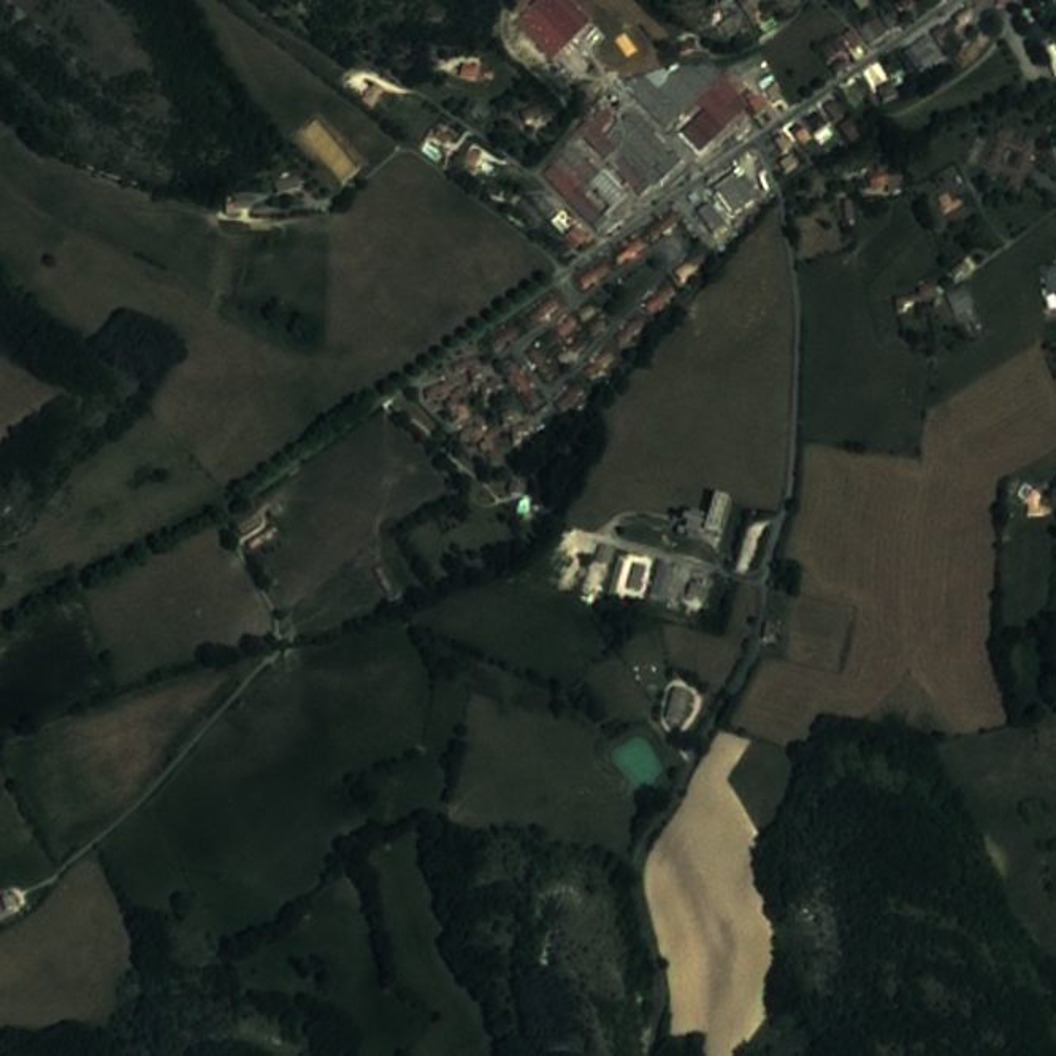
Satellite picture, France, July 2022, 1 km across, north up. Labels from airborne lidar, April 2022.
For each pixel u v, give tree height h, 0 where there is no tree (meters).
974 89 0
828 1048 11
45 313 11
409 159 0
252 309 0
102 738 0
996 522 8
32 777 0
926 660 0
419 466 0
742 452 0
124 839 0
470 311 0
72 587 26
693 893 0
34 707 0
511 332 0
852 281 0
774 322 0
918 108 0
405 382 20
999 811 0
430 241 0
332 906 0
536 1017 16
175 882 0
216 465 0
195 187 19
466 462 0
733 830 0
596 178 0
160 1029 15
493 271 0
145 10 8
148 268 0
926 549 0
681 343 0
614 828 0
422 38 9
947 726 0
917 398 0
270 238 7
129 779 0
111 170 7
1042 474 0
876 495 0
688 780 0
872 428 0
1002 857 0
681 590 0
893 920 6
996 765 0
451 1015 0
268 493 0
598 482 0
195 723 0
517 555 16
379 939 15
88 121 0
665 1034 12
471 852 15
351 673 0
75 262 0
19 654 0
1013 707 15
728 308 0
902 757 12
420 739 0
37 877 0
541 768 0
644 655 0
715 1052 0
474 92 0
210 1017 6
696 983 0
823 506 0
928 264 0
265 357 0
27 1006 0
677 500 0
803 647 0
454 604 0
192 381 0
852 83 0
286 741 0
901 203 0
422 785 0
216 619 0
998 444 0
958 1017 8
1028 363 0
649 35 0
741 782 0
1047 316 0
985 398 0
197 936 0
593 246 0
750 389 0
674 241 0
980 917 11
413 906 0
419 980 0
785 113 0
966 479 0
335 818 0
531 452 20
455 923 14
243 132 14
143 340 17
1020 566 0
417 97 0
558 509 24
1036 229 0
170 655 0
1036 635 17
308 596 0
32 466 12
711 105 0
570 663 0
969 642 0
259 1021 0
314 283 0
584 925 0
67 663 0
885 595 0
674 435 0
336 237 0
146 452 0
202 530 17
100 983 0
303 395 0
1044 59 15
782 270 0
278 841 0
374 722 0
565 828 0
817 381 0
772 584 7
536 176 0
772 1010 14
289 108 0
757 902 0
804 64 0
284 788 0
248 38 0
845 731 10
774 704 0
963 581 0
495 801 0
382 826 9
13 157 0
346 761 0
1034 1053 11
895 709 0
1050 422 0
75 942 0
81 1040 14
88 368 11
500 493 0
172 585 0
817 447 0
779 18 12
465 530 0
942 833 12
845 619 0
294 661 0
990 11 8
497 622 0
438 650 7
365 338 0
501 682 0
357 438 0
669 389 0
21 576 0
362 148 0
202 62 12
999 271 0
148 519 0
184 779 0
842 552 0
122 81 7
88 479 0
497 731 0
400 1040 0
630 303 0
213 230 0
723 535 0
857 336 0
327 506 0
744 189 0
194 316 0
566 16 0
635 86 0
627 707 0
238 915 0
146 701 0
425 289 0
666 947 0
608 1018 7
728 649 0
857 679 0
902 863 9
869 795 15
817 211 8
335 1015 18
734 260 0
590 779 0
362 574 0
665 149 0
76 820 0
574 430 19
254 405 0
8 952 0
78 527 0
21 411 0
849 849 10
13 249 0
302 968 27
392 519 0
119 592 0
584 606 0
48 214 0
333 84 6
